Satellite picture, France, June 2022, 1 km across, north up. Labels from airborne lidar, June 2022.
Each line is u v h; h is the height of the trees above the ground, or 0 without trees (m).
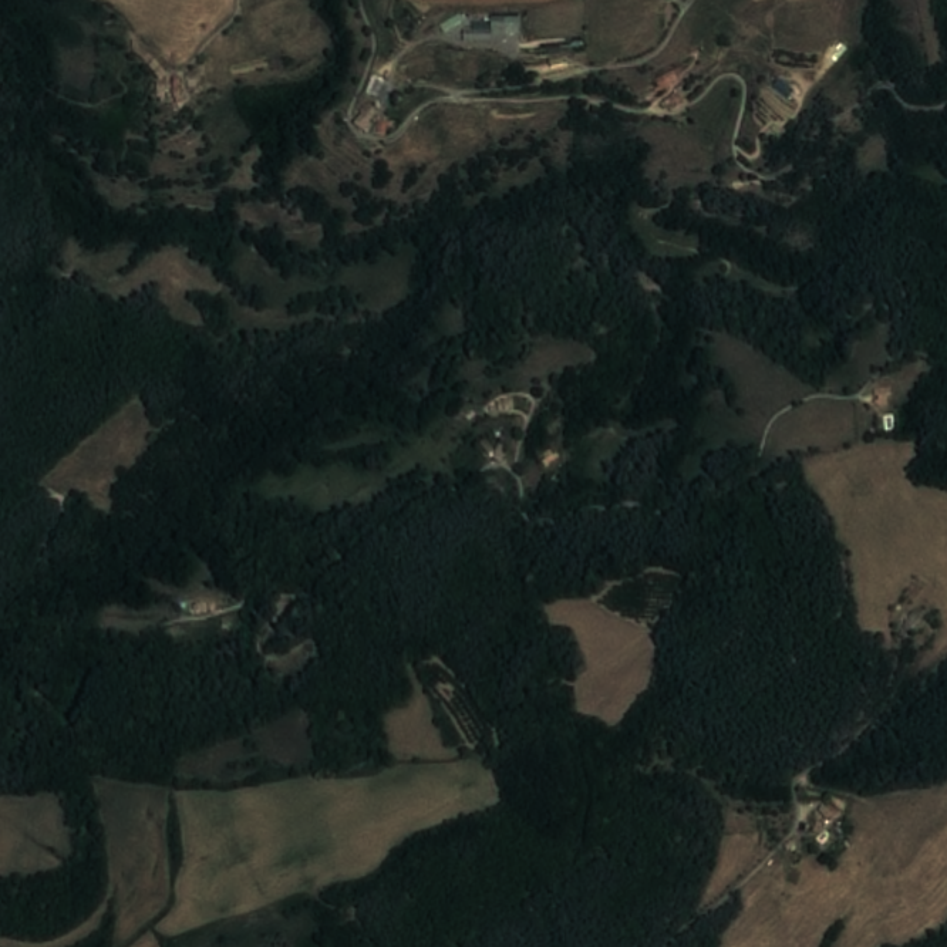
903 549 0
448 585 18
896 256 14
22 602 22
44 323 16
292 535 18
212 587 15
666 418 13
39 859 0
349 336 16
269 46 0
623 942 17
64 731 20
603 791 18
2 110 14
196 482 21
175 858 6
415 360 18
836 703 16
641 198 12
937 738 35
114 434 0
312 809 0
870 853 0
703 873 17
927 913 0
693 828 11
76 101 7
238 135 0
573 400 7
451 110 0
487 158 12
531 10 0
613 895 16
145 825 0
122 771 13
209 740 12
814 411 0
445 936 17
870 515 0
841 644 15
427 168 9
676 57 0
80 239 14
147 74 8
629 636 0
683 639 15
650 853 13
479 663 19
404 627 20
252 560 18
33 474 17
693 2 0
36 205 18
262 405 19
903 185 21
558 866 16
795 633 19
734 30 0
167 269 0
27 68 19
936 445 18
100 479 0
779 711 17
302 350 17
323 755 10
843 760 11
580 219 21
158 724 16
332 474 0
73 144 12
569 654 14
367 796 0
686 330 19
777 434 0
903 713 19
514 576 12
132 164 7
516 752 14
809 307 19
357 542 10
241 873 0
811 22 0
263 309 21
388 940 19
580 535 16
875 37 23
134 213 17
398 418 8
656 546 23
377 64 0
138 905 0
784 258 14
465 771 0
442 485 19
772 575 17
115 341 15
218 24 0
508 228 17
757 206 17
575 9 0
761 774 12
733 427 0
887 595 0
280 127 19
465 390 11
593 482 14
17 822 0
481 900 16
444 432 0
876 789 12
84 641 15
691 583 18
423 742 0
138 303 16
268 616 20
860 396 0
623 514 14
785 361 9
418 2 0
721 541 19
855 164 18
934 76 12
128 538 15
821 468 0
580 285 16
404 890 12
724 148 0
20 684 21
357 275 0
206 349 14
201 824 0
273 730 0
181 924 0
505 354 13
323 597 15
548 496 18
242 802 0
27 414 22
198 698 17
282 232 18
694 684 21
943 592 0
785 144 11
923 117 13
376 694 17
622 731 7
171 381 17
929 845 0
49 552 18
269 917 0
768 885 0
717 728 20
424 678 11
